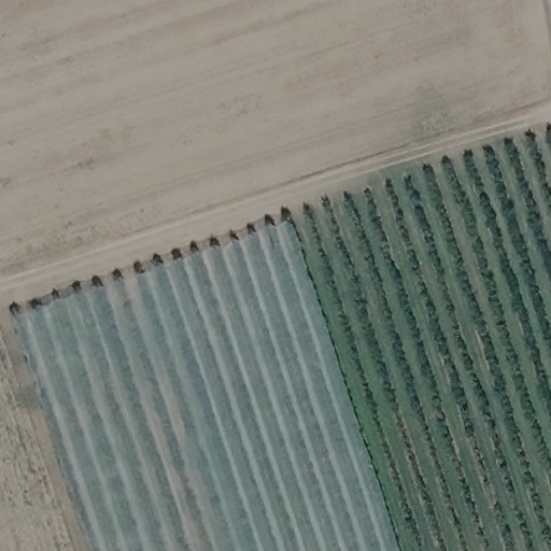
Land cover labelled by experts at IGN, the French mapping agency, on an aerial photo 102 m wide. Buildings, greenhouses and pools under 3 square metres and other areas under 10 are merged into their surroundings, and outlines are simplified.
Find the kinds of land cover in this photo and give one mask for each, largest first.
<instances>
[{"label":"deciduous trees","instance_id":"1","mask_svg":"<svg viewBox=\"0 0 551 551\"><path fill-rule=\"evenodd\" d=\"M525 142L536 166L545 202L551 213V185L547 181V168L536 142V133L529 131H525ZM506 155L514 170L519 189L525 196L527 224L534 232V241L540 250L551 284V248L545 239L538 204L525 179L521 157L512 138H504ZM486 166L493 176L508 224L501 230L497 226L495 211L491 207L489 194L484 192V183L480 179L471 151L454 155L452 159L430 157L422 166V170L413 176H394L392 181L385 179V187L377 189L375 194L370 189H362L355 194L347 192H338L331 198L323 196V200L314 207L303 204L293 211L282 209L280 213L265 215L243 228L224 232L220 237L192 241L181 250L164 252L161 256L153 254V258L149 260L114 269L110 273H103L101 278L93 276L90 280L71 284L75 291L71 297L54 299L50 306H41L39 297L19 303V314L24 316L32 355L37 359V368L45 385L37 392L34 409L43 411L54 456L65 478L67 495L77 514L80 529L84 536L90 532L95 534L99 551H551V325L545 312V301L536 282V271L529 260L523 232L519 228L514 202L508 198L497 155L489 144L484 146Z\"/></svg>","mask_w":551,"mask_h":551},{"label":"agricultural land","instance_id":"2","mask_svg":"<svg viewBox=\"0 0 551 551\"><path fill-rule=\"evenodd\" d=\"M446 77L467 86L482 77V114L499 108L508 110L512 105H523L529 101H536L538 108L551 103V0H0V278L30 269L37 263H50L73 254L84 245V239H65L71 226L114 215L138 202H149L179 189H192L202 183H215L258 166H273L280 159L299 153L306 157V164L301 168L303 172L364 155L375 142L392 136L394 131H405L413 127L415 88L422 82H430L437 88ZM45 385L37 368V359L32 355L24 316L19 314V303H15L9 297V293L0 295V551H99L95 534L90 532L84 536L80 529L77 514L67 495L65 478L54 456L43 411L34 409L37 392Z\"/></svg>","mask_w":551,"mask_h":551},{"label":"pervious surface","instance_id":"3","mask_svg":"<svg viewBox=\"0 0 551 551\"><path fill-rule=\"evenodd\" d=\"M482 77L467 86L446 77L437 88L430 82H422L415 88L413 127L405 131H394L392 136L375 142L364 155L303 172L301 168L306 164V157L299 153L280 159L273 166H258L215 183H202L192 189H179L149 202H138L114 215L71 226L65 239H84V245L73 254L50 263H37L30 269L0 278V295L9 293V297L15 303H19L39 297L52 293L54 288H65L71 284L90 280L93 276L101 278L103 273H110L114 269L149 260L153 258V254L161 256L164 252L181 250L192 241L220 237L224 232L243 228L265 215L280 213L282 209L293 211L303 204L314 207L323 200V196L331 198L338 192H347L344 185L349 181L381 172L390 166L420 161L422 166L430 157L452 159L454 155L471 151L474 146H484L489 144L495 138H512L519 131H529L534 125H551V103L538 108L536 101H529L523 105H512L508 110L499 108L482 114Z\"/></svg>","mask_w":551,"mask_h":551},{"label":"herbaceous vegetation","instance_id":"4","mask_svg":"<svg viewBox=\"0 0 551 551\"><path fill-rule=\"evenodd\" d=\"M529 131L536 133V142L547 168V181L551 185V125H534ZM525 131H519L512 138L521 157L525 179L538 204L545 239L551 248V213L545 202L536 166L525 142ZM497 155L508 198L514 202L519 228L523 232L529 260L536 271V282L545 301V312L551 325V284L540 250L534 241V232L527 224L525 196L519 189L514 170L506 155L504 138H495L489 144ZM480 179L484 183V192L489 194L491 207L495 211L497 226L501 230L508 224L493 176L486 166L484 146H474L471 151ZM422 170V166L420 161L390 166L381 172L349 181L344 185L347 192L355 194L362 189H370L375 194L377 189L385 187V179L392 181L394 176H413ZM75 291L71 284L65 288H54L52 293L39 297L41 306H50L54 299L71 297Z\"/></svg>","mask_w":551,"mask_h":551}]
</instances>
